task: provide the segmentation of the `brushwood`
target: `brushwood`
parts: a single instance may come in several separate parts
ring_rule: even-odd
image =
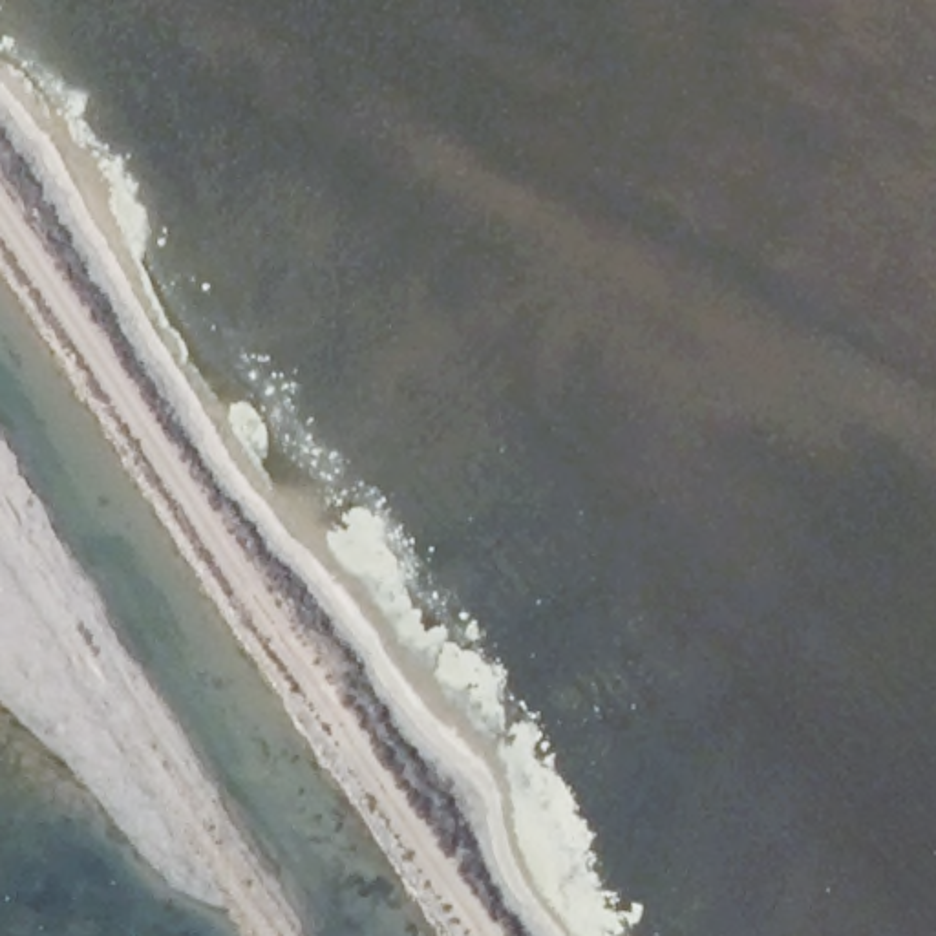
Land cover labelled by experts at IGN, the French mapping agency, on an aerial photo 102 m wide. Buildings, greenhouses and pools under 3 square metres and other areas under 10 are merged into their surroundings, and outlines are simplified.
[[[406,863],[410,845],[391,826],[388,808],[377,804],[377,812],[366,823],[373,841],[384,848],[391,870],[399,874],[406,896],[420,907],[424,921],[439,936],[472,936],[453,914],[453,903],[446,903],[435,892],[424,867],[417,859]]]
[[[91,322],[106,333],[121,369],[132,377],[154,420],[179,450],[197,486],[208,494],[208,505],[227,519],[227,530],[234,534],[241,552],[260,563],[267,589],[282,592],[293,603],[296,625],[303,633],[322,636],[322,644],[344,662],[344,706],[358,717],[358,728],[369,735],[380,764],[395,775],[395,786],[431,826],[439,848],[461,867],[464,885],[483,899],[486,914],[505,929],[505,936],[534,936],[523,925],[523,918],[505,903],[501,885],[494,881],[483,859],[479,837],[453,793],[453,779],[439,775],[439,768],[402,735],[391,706],[369,680],[369,669],[355,644],[336,629],[329,611],[307,589],[307,581],[267,545],[260,523],[245,512],[245,505],[219,483],[205,453],[197,450],[194,435],[179,420],[176,406],[154,380],[150,366],[139,358],[135,344],[121,329],[121,318],[106,289],[91,278],[80,245],[73,241],[73,230],[59,216],[55,201],[44,194],[44,179],[37,176],[33,161],[18,150],[7,124],[0,121],[0,179],[7,183],[11,197],[22,201],[26,227],[40,234],[44,249],[55,256],[55,267],[62,271],[77,300],[88,307]]]
[[[124,442],[117,450],[117,461],[132,479],[146,475],[146,483],[165,501],[176,527],[197,552],[197,559],[208,567],[223,596],[238,592],[234,581],[205,545],[201,530],[179,505],[179,497],[154,468],[132,424],[121,428]]]

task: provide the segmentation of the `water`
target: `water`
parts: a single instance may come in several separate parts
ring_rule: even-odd
[[[157,512],[132,479],[117,461],[117,450],[102,435],[95,413],[73,395],[66,373],[55,366],[55,355],[48,351],[33,322],[26,318],[22,303],[0,278],[0,439],[15,453],[26,486],[40,497],[55,537],[66,545],[80,574],[95,585],[106,607],[106,622],[113,625],[121,647],[146,673],[150,687],[161,695],[172,720],[186,735],[201,771],[216,782],[223,812],[234,819],[249,852],[293,903],[303,936],[439,936],[424,921],[420,907],[406,896],[399,874],[391,870],[384,848],[373,841],[366,823],[351,808],[347,793],[322,771],[311,746],[293,731],[278,695],[267,687],[245,647],[234,640],[216,603],[201,592],[194,570],[186,567]]]
[[[113,823],[110,808],[66,764],[66,757],[44,746],[15,717],[15,709],[0,702],[0,936],[238,936],[238,925],[216,929],[212,921],[205,921],[205,914],[190,907],[194,896],[176,892],[168,885],[168,878]]]
[[[186,377],[194,380],[219,442],[227,446],[241,475],[271,501],[285,530],[300,545],[307,545],[314,559],[347,589],[347,596],[377,629],[384,651],[424,698],[424,706],[486,761],[497,793],[512,790],[501,746],[490,731],[479,731],[464,702],[457,702],[446,691],[446,684],[439,680],[439,665],[428,658],[428,651],[417,651],[399,636],[391,614],[373,600],[369,581],[351,574],[333,556],[329,530],[340,530],[347,523],[347,512],[355,508],[384,516],[384,545],[399,559],[410,603],[420,611],[424,629],[439,625],[446,629],[453,647],[475,651],[486,662],[505,665],[505,720],[537,724],[537,731],[548,739],[556,771],[570,786],[578,815],[592,830],[600,885],[618,892],[618,910],[629,910],[633,903],[644,907],[644,918],[633,929],[625,929],[625,936],[936,936],[936,0],[0,0],[0,66],[15,66],[29,77],[29,113],[51,135],[84,201],[102,194],[110,197],[110,183],[99,172],[99,161],[80,143],[73,143],[66,128],[66,102],[77,91],[84,91],[88,128],[124,161],[128,176],[135,179],[135,197],[146,208],[143,263],[172,329],[186,340]],[[230,428],[234,402],[252,406],[263,420],[267,453],[260,446],[238,442]]]

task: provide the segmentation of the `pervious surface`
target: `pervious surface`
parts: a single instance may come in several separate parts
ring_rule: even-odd
[[[267,453],[263,420],[252,406],[234,402],[230,428],[238,442],[260,446]]]
[[[486,914],[483,899],[464,885],[461,867],[439,848],[431,826],[395,786],[395,775],[380,764],[369,735],[358,728],[358,717],[344,706],[344,662],[322,644],[322,636],[303,633],[296,625],[293,603],[282,592],[267,589],[260,563],[241,552],[234,534],[227,530],[227,519],[208,505],[208,494],[197,486],[179,450],[154,420],[132,377],[121,369],[106,333],[91,322],[88,307],[77,300],[62,271],[55,267],[55,256],[44,249],[40,234],[26,227],[22,201],[11,197],[7,183],[0,179],[0,278],[22,303],[26,318],[33,322],[48,351],[55,355],[55,366],[66,373],[73,395],[95,413],[102,435],[117,450],[124,442],[121,428],[132,424],[154,468],[179,497],[179,505],[201,530],[205,545],[234,581],[238,592],[223,596],[208,567],[197,559],[197,552],[176,527],[165,501],[146,483],[146,475],[132,479],[157,512],[186,567],[194,570],[201,592],[216,603],[234,640],[245,647],[267,687],[278,695],[293,731],[311,746],[322,771],[347,793],[351,808],[366,823],[377,812],[377,804],[388,808],[391,826],[410,845],[406,863],[417,859],[424,867],[435,892],[446,903],[453,903],[453,914],[472,936],[505,936],[505,929]]]
[[[51,135],[29,113],[29,77],[15,66],[0,66],[0,121],[7,124],[18,150],[33,161],[37,176],[44,179],[44,194],[55,201],[59,216],[73,230],[73,241],[80,245],[91,278],[106,289],[121,318],[121,329],[135,344],[139,358],[150,366],[154,380],[176,406],[179,420],[194,435],[197,450],[205,453],[219,483],[245,505],[245,512],[260,523],[267,545],[307,581],[307,589],[329,611],[336,629],[355,644],[369,669],[369,680],[391,706],[402,735],[439,768],[439,775],[453,779],[453,793],[479,837],[483,859],[494,881],[501,885],[505,903],[523,918],[523,925],[534,936],[625,936],[625,929],[633,929],[644,918],[644,907],[633,903],[629,910],[618,910],[618,892],[600,885],[592,830],[578,815],[570,786],[556,771],[548,739],[537,731],[537,724],[505,720],[505,665],[486,662],[475,651],[453,647],[446,629],[439,625],[424,629],[420,611],[410,603],[399,559],[384,545],[384,516],[355,508],[347,512],[347,523],[340,530],[329,530],[333,556],[351,574],[369,581],[373,600],[391,614],[399,636],[417,651],[428,651],[428,658],[439,665],[439,680],[446,684],[446,691],[457,702],[464,702],[479,731],[490,731],[501,746],[512,790],[497,793],[486,761],[424,706],[424,698],[384,651],[377,629],[347,596],[347,589],[314,559],[307,545],[300,545],[285,530],[271,501],[241,475],[227,446],[219,442],[194,380],[186,377],[186,340],[172,329],[143,263],[146,208],[135,197],[135,179],[128,176],[124,161],[88,128],[84,91],[77,91],[66,102],[66,128],[73,143],[80,143],[99,161],[99,172],[110,183],[110,197],[102,194],[84,201]]]
[[[146,673],[121,647],[113,625],[106,622],[106,607],[95,585],[80,574],[66,545],[55,537],[40,497],[26,486],[15,453],[0,439],[0,702],[15,709],[15,717],[44,746],[66,757],[66,764],[110,808],[113,823],[168,878],[168,885],[176,892],[194,896],[190,907],[205,914],[205,921],[212,921],[216,929],[238,925],[238,936],[303,936],[293,903],[249,852],[234,819],[223,812],[216,782],[201,771],[186,735],[172,720],[161,695],[150,687]]]

